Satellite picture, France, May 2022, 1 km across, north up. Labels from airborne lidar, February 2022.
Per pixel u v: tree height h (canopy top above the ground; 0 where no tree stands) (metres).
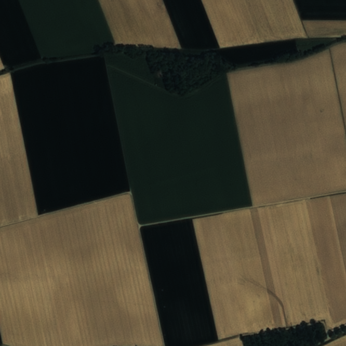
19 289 0
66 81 0
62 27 0
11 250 0
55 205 0
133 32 0
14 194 0
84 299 0
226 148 0
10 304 0
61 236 0
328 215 0
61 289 0
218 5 0
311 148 0
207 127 0
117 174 0
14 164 0
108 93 0
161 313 0
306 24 0
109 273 0
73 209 0
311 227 0
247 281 0
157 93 0
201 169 0
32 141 0
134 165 0
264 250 0
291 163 0
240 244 0
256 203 0
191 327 0
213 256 0
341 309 0
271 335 28
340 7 0
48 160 0
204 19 0
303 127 0
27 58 0
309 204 0
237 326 0
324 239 0
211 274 0
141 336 0
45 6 0
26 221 0
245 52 0
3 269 0
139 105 0
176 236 0
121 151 0
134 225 0
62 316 0
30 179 0
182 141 0
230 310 0
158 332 0
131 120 0
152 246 0
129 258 0
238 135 0
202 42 0
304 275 0
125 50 22
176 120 0
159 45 0
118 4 0
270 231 0
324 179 0
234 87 0
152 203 0
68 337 0
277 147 0
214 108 0
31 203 0
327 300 0
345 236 0
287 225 0
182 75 19
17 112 0
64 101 0
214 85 0
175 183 0
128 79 0
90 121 0
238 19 0
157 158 0
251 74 0
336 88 0
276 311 0
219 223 0
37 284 0
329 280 0
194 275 0
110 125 0
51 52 0
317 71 0
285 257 0
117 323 0
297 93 0
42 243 0
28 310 0
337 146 0
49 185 0
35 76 0
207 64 28
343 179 0
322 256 0
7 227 0
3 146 0
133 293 0
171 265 0
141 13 0
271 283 0
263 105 0
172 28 0
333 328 0
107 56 0
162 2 0
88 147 0
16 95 0
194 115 0
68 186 0
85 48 0
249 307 0
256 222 0
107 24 0
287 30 0
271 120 0
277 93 0
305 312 0
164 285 0
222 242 0
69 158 0
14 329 0
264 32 0
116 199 0
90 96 0
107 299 0
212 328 0
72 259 0
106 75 0
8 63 0
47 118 0
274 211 0
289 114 0
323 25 0
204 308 0
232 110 0
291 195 0
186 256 0
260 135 0
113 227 0
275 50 0
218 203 0
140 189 0
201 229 0
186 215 0
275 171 0
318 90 0
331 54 0
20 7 0
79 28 0
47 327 0
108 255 0
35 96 0
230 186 0
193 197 0
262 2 0
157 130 0
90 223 0
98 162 0
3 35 0
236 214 0
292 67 0
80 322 0
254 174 0
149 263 0
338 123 0
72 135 0
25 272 0
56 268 0
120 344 0
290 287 0
